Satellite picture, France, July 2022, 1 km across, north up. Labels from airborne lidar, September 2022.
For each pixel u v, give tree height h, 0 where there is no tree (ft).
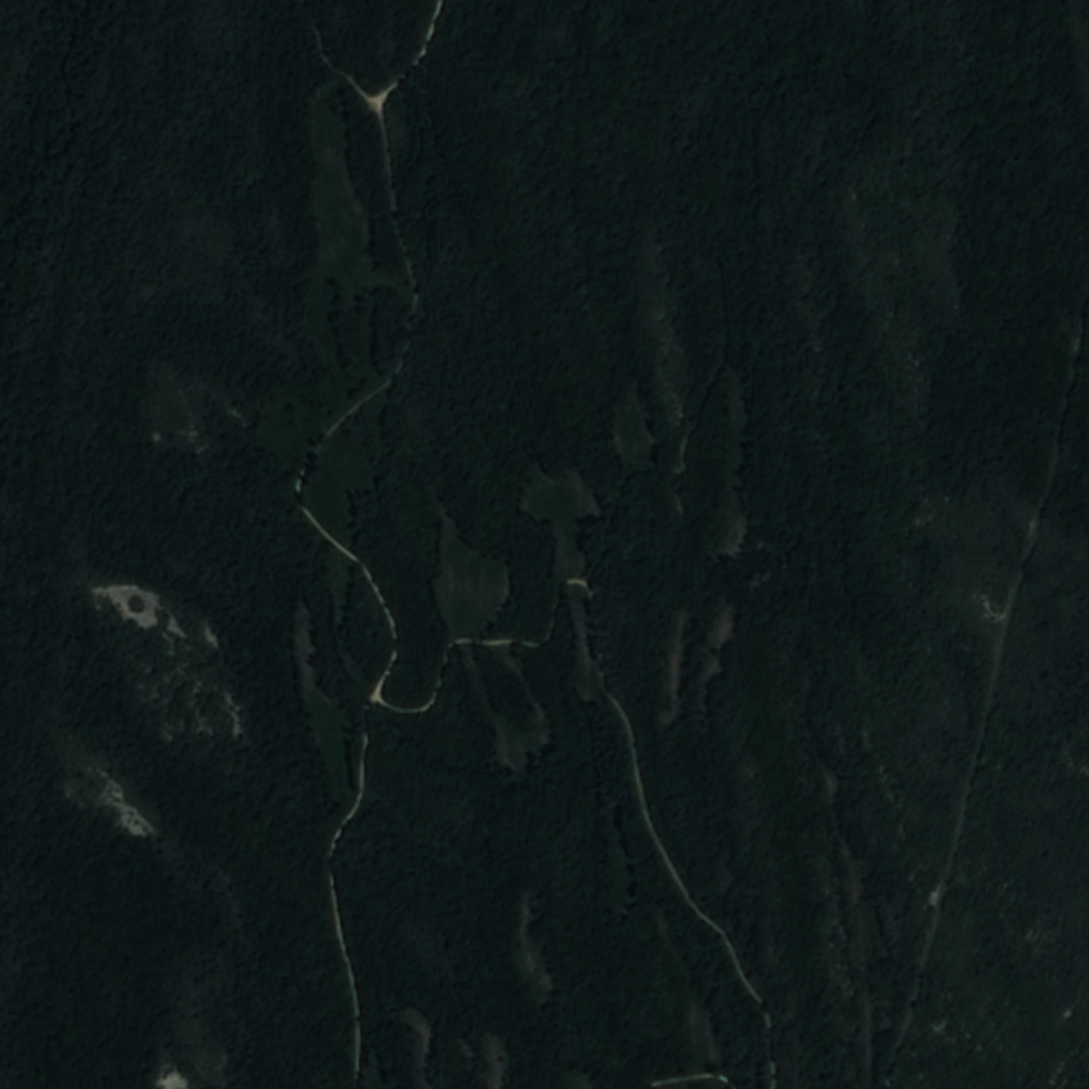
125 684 35
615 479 40
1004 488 0
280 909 40
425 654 37
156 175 35
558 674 33
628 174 37
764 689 23
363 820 37
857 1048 36
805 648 37
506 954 43
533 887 36
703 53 42
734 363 31
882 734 0
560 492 0
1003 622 0
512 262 37
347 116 53
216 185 45
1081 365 51
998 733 0
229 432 30
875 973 29
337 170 0
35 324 38
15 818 21
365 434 23
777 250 29
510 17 62
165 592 25
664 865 40
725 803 30
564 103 49
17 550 44
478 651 51
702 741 31
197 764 27
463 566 0
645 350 24
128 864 48
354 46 37
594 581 34
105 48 43
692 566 45
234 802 63
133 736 39
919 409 0
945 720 0
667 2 42
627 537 26
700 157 43
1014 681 0
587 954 40
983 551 0
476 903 25
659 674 41
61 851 50
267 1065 41
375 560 34
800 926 21
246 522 62
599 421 27
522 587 44
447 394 20
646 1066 38
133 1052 46
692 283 22
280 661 46
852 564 53
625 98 53
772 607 37
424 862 38
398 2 36
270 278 40
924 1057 0
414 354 19
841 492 53
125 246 34
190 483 39
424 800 27
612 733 62
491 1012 38
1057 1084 0
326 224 0
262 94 50
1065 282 48
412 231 24
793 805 19
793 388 24
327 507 0
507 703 26
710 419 45
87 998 51
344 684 37
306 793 30
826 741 35
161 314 35
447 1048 46
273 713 50
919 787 0
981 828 0
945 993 0
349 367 43
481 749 32
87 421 24
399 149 21
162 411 0
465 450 31
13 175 66
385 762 20
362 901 31
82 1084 50
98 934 46
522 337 43
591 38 56
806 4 41
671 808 22
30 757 33
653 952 35
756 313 45
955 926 0
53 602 45
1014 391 40
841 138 51
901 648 0
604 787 72
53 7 42
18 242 56
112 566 38
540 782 69
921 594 0
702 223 31
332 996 42
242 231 33
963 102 47
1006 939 0
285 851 34
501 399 41
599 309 43
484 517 41
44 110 57
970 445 33
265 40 45
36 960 45
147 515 39
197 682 0
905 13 28
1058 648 0
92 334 51
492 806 30
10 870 51
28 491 49
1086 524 0
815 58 42
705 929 38
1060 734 0
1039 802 0
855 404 39
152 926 45
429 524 30
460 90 29
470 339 46
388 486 41
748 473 40
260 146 27
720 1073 58
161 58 38
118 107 49
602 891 44
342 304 39
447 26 31
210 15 24
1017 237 69
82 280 41
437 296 27
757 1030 21
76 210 45
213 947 41
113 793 0
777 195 33
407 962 29
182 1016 0
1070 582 0
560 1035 34
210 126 41
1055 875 0
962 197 43
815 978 22
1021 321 45
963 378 41
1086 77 0
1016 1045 0
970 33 45
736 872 32
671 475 23
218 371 39
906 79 27
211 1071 0
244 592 33
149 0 32
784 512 31
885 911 51
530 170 34
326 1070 39
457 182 58
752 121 34
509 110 22
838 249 30
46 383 49
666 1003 26
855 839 29
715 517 34
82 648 46
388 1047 45
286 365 62
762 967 32
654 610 28
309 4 36
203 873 28
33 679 34
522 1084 36
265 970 40
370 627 29
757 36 47
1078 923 0
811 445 22
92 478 41
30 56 34
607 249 27
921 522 0
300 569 39
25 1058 63
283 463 65
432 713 25
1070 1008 0
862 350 50
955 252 34
